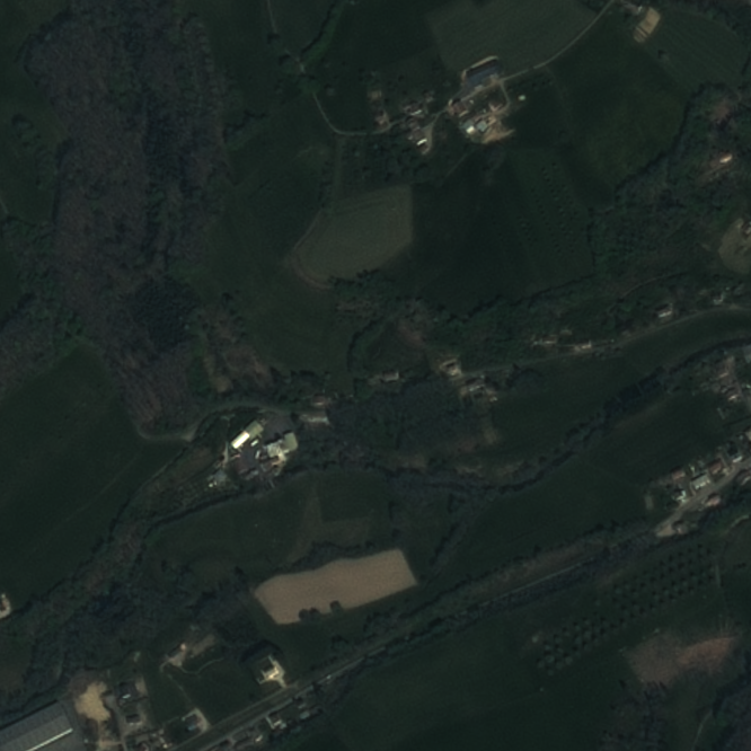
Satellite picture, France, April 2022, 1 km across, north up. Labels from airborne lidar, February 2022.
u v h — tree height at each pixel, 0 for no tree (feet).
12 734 0
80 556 0
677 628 0
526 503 0
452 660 0
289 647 0
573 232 0
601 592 0
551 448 0
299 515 0
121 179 129
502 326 70
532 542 0
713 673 61
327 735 0
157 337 63
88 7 84
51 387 0
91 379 0
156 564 0
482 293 0
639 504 0
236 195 0
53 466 0
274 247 0
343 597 0
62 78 113
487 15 0
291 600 0
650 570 0
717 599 0
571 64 0
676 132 0
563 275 0
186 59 94
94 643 104
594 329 0
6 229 48
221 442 0
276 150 0
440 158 0
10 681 0
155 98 87
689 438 0
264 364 0
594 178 0
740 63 0
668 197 32
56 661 76
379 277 61
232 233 0
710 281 0
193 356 107
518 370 54
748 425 0
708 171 0
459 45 0
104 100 126
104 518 0
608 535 60
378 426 67
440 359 0
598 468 0
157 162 110
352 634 0
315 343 0
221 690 0
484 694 0
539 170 0
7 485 0
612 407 0
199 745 0
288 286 0
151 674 0
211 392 57
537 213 0
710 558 0
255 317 0
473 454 0
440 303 0
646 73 0
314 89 71
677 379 54
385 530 0
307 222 0
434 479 57
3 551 0
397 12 0
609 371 0
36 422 0
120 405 0
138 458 0
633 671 0
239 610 64
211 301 0
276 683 0
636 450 0
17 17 0
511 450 0
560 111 0
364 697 0
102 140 126
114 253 118
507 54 0
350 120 0
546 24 0
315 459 48
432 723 0
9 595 0
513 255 0
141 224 121
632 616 0
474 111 0
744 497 33
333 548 53
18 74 0
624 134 0
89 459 0
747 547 0
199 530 0
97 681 0
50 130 0
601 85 0
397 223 0
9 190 0
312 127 0
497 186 0
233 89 36
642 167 0
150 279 41
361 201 0
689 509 0
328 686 0
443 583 0
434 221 0
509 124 0
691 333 0
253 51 0
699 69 0
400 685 0
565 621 0
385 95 0
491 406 0
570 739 0
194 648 0
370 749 0
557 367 0
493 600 0
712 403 0
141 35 114
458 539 55
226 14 0
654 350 0
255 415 25
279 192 0
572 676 0
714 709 0
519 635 0
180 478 0
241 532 0
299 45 0
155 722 0
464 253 0
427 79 0
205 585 0
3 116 0
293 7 0
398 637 0
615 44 0
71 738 0
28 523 0
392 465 0
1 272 0
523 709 0
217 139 91
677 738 0
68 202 97
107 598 0
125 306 43
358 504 0
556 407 0
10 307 0
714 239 0
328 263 0
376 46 0
